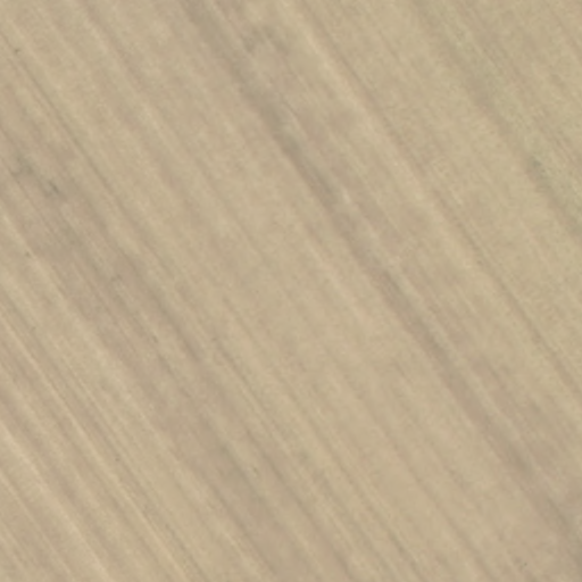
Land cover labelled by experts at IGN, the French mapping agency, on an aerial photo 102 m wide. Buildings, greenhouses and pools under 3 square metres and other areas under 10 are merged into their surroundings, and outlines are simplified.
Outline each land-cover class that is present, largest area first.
<instances>
[{"label":"agricultural land","instance_id":"1","mask_svg":"<svg viewBox=\"0 0 582 582\"><path fill-rule=\"evenodd\" d=\"M0 582H582V0H0Z\"/></svg>","mask_w":582,"mask_h":582}]
</instances>
